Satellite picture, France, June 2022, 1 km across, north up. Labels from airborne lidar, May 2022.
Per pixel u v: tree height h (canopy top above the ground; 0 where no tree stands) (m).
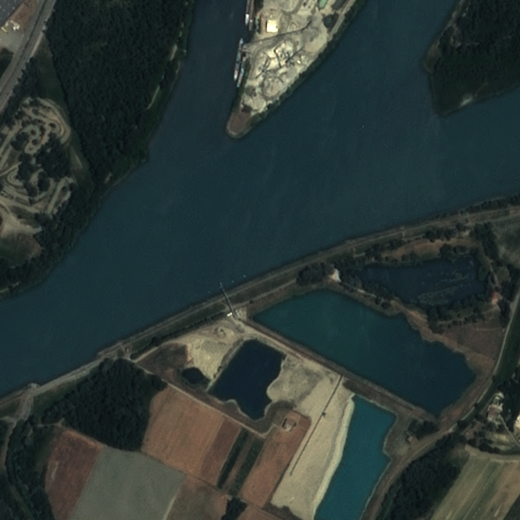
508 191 0
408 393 0
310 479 0
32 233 0
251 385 0
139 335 0
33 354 0
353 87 0
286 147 0
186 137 0
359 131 0
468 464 0
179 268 0
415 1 0
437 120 0
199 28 0
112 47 17
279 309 0
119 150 23
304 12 0
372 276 0
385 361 0
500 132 0
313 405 0
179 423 0
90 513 0
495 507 0
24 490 0
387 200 0
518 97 0
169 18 21
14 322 0
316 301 0
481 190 0
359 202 0
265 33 0
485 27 22
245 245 0
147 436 0
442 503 0
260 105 0
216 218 0
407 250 0
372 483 0
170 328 0
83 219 24
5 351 0
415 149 0
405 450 0
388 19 0
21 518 17
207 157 0
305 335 0
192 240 0
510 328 0
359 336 0
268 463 0
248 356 0
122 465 0
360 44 0
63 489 0
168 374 0
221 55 0
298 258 0
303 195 0
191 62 0
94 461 0
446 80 8
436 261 0
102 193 18
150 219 0
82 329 0
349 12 7
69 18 25
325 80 0
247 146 0
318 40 0
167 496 0
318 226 0
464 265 0
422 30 0
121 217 0
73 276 0
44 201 0
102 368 20
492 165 0
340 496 0
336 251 0
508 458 0
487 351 0
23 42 0
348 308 0
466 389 0
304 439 0
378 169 0
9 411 0
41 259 17
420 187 0
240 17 0
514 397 12
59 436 0
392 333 0
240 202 0
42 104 11
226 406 0
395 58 0
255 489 0
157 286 0
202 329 0
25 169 24
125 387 28
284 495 0
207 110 0
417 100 0
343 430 0
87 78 21
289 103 0
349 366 0
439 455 21
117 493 0
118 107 10
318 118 0
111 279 0
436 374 0
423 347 0
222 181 0
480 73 12
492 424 11
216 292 0
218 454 0
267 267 0
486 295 21
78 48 23
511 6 21
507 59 7
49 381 0
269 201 0
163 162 0
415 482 29
